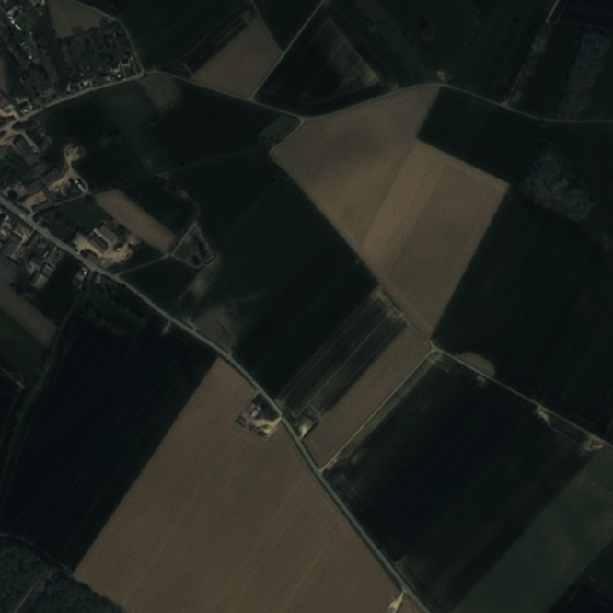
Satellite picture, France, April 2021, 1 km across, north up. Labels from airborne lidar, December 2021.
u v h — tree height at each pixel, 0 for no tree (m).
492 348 0
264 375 0
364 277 0
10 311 0
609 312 0
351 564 0
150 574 0
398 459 0
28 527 0
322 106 0
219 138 0
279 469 0
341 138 0
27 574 21
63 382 0
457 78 0
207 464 0
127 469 0
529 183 19
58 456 0
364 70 0
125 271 0
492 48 0
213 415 0
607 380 0
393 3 0
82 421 0
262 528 0
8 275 0
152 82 0
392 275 0
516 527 0
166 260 0
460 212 0
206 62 0
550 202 24
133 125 0
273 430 0
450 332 0
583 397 0
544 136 0
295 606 0
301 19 0
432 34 22
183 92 0
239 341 0
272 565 0
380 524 0
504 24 0
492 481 0
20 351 0
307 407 0
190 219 0
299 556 0
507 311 0
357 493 0
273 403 0
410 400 0
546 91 0
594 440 0
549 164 22
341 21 0
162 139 0
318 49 0
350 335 0
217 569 0
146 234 0
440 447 0
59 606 17
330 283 0
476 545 0
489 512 0
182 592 0
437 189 0
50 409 0
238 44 0
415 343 0
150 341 0
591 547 0
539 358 0
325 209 0
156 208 0
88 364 0
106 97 0
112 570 0
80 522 0
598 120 0
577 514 0
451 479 0
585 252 0
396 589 0
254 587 0
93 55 17
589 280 0
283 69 0
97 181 0
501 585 0
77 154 0
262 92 0
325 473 0
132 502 0
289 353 0
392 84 0
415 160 0
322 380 0
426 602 0
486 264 0
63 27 0
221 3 0
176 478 0
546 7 0
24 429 0
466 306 0
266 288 0
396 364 0
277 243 0
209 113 0
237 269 0
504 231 0
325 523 0
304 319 0
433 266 0
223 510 0
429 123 0
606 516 0
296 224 0
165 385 0
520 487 0
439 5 0
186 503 0
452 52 0
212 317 0
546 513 0
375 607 0
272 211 0
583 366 0
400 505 0
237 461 0
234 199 0
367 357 0
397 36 0
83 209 0
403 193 0
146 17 0
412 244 0
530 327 0
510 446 0
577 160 0
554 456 0
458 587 0
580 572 0
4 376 0
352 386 0
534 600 0
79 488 0
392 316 0
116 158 0
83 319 0
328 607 0
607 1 0
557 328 0
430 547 0
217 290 0
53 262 0
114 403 0
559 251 0
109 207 0
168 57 0
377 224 0
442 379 0
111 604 17
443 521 0
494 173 0
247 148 0
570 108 19
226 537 0
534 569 0
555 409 0
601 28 0
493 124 0
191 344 0
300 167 0
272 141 8
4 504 0
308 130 0
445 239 0
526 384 0
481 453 0
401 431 0
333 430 0
